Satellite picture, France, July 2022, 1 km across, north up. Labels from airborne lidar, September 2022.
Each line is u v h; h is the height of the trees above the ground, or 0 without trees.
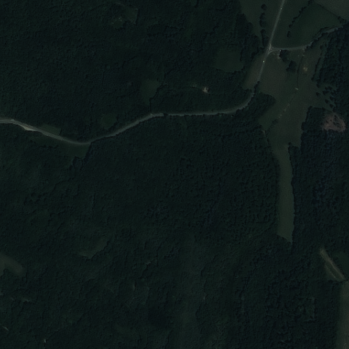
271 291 21
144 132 20
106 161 19
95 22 20
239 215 16
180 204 25
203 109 9
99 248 0
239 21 10
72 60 15
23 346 11
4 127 8
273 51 0
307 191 24
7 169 7
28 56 13
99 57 15
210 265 8
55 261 11
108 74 18
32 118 19
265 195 14
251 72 0
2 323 14
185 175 17
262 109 18
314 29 0
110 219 16
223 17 22
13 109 9
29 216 14
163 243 14
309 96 0
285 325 23
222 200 23
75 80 16
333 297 24
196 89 13
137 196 18
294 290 26
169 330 15
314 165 28
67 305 13
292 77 0
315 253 17
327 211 25
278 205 12
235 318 7
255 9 0
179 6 15
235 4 24
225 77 12
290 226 0
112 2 10
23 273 0
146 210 21
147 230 8
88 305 14
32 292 12
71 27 19
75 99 17
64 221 14
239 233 12
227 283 14
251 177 18
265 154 17
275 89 0
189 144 7
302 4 0
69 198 17
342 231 22
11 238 14
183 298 7
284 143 0
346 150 22
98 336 10
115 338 12
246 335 16
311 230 22
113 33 21
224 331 10
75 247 13
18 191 13
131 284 9
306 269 16
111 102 16
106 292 12
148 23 21
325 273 15
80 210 7
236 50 9
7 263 0
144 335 11
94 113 19
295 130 0
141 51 18
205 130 8
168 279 8
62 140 0
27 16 7
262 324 18
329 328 25
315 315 10
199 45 10
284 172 0
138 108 17
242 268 12
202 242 13
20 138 13
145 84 0
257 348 22
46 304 11
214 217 23
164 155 16
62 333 12
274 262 21
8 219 12
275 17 0
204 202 17
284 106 0
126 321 20
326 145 17
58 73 15
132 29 19
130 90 12
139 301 8
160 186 17
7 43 13
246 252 13
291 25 10
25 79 13
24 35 13
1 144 6
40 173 6
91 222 8
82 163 16
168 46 22
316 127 14
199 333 6
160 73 18
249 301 18
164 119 18
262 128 15
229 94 12
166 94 16
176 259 18
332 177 27
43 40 20
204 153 20
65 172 11
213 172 19
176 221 18
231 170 17
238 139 21
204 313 16
